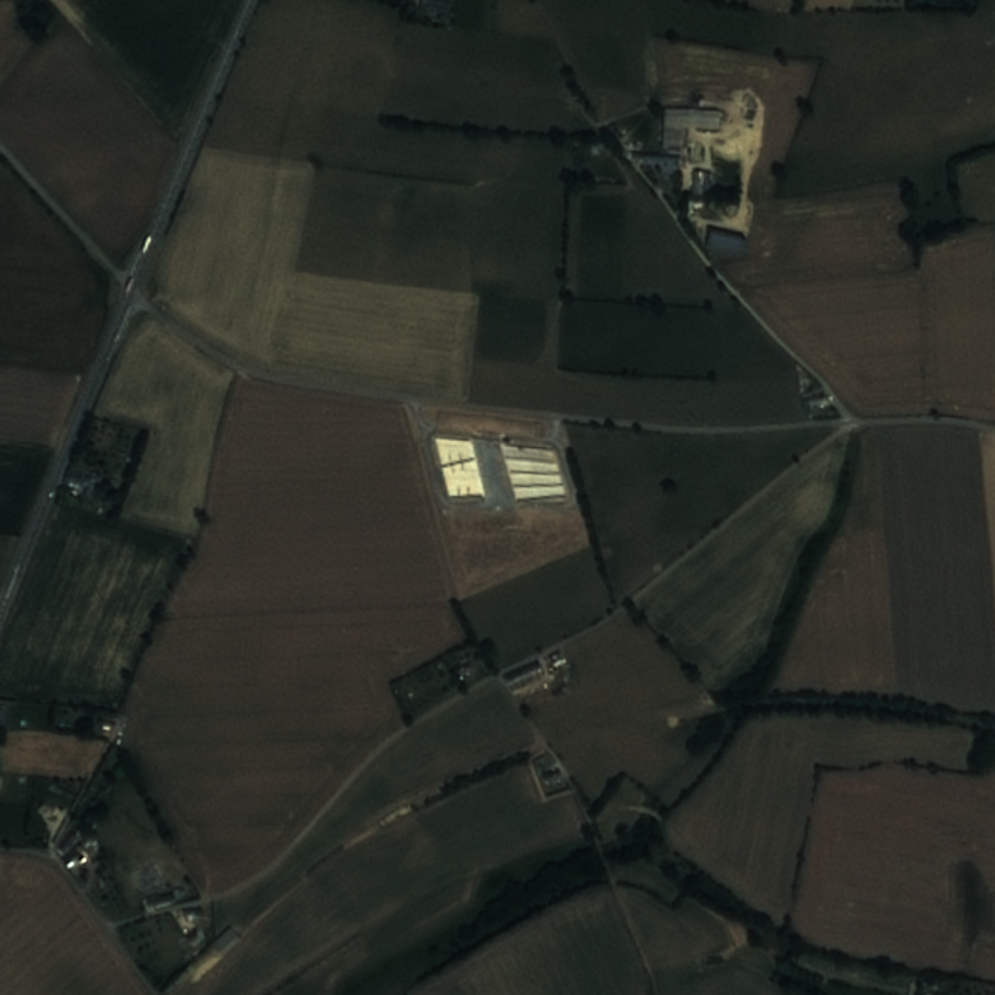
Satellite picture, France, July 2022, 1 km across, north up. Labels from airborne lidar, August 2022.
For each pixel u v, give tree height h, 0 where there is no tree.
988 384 0
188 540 0
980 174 0
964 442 0
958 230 10
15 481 0
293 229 0
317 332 0
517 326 0
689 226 17
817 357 0
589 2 0
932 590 0
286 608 0
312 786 0
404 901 0
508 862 0
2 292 0
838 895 0
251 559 0
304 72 0
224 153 0
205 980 0
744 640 0
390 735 0
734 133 0
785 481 0
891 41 0
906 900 0
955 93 0
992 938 0
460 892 0
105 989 0
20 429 0
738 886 0
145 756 0
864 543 0
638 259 0
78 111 0
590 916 0
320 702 0
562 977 0
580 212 0
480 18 0
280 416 0
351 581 0
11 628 0
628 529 0
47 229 0
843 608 0
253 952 0
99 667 0
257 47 0
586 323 0
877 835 0
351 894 0
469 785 7
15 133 0
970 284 0
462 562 0
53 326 0
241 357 0
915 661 0
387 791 0
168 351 0
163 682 0
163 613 11
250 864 0
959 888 0
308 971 0
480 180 0
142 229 0
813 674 0
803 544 0
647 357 0
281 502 0
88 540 0
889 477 0
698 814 0
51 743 0
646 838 14
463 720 0
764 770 0
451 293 0
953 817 0
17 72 0
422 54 0
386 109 0
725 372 0
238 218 0
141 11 0
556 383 0
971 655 0
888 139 0
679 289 0
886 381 0
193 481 0
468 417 0
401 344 0
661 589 0
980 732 12
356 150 0
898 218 0
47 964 0
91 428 10
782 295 0
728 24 0
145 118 0
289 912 0
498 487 0
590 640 0
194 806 0
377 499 0
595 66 0
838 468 0
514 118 0
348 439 0
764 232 0
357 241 0
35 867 0
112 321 0
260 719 0
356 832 0
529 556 0
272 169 0
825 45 0
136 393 0
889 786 0
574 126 0
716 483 0
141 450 13
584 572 0
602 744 0
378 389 0
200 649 0
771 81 0
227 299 0
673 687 0
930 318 0
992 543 0
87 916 0
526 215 0
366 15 0
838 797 0
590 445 0
